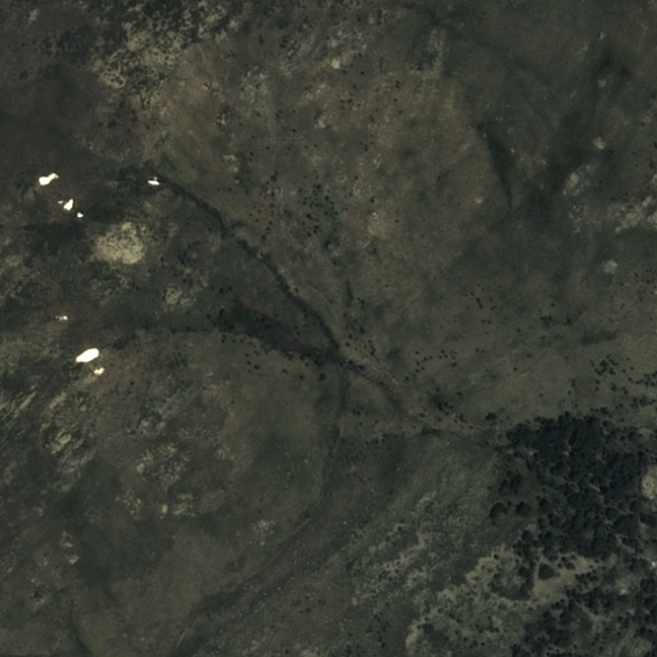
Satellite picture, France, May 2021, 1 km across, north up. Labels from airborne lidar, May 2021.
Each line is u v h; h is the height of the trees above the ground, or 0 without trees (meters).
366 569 0
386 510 0
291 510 0
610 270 0
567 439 30
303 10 0
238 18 0
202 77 0
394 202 0
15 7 0
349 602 0
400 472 0
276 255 0
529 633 12
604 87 0
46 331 0
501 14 0
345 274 0
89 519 0
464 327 0
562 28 0
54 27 0
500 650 0
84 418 0
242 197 0
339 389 0
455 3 0
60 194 0
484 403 0
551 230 0
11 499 0
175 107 0
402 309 0
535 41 0
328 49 0
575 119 0
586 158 0
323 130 0
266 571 0
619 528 22
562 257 0
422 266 0
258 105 0
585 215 0
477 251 0
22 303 0
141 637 0
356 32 0
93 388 0
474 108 0
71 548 0
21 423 0
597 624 0
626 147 0
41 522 0
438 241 0
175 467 0
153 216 0
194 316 0
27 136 0
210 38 0
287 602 0
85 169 0
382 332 0
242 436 0
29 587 0
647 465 25
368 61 0
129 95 0
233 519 0
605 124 0
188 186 0
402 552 0
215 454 0
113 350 0
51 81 0
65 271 0
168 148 0
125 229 0
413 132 0
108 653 0
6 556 0
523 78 0
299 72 0
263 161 0
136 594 0
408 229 0
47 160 0
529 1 0
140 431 0
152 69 0
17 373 0
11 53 0
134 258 0
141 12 0
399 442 0
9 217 0
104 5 0
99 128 0
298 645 0
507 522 0
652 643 13
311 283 0
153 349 0
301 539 0
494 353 0
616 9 0
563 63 0
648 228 0
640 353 0
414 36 0
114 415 0
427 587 0
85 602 0
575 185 0
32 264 0
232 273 0
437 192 0
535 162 0
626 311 0
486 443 7
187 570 0
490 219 0
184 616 0
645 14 0
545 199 0
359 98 0
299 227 0
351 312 0
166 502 0
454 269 0
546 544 18
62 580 0
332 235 0
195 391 0
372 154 0
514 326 0
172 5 0
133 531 0
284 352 7
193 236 0
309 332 0
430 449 0
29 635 0
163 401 0
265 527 0
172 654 0
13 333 0
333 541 0
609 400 0
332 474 0
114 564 0
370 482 0
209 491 0
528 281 0
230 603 0
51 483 0
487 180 0
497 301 0
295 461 0
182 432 0
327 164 0
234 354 0
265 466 0
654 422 0
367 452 0
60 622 0
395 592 0
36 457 0
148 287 0
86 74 0
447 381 0
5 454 0
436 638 0
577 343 0
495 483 0
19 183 0
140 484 0
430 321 0
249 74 0
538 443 14
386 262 0
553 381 0
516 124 0
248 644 0
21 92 0
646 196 0
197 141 0
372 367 0
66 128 0
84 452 0
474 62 0
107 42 0
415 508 0
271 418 0
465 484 0
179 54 0
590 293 0
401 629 0
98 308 0
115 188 0
